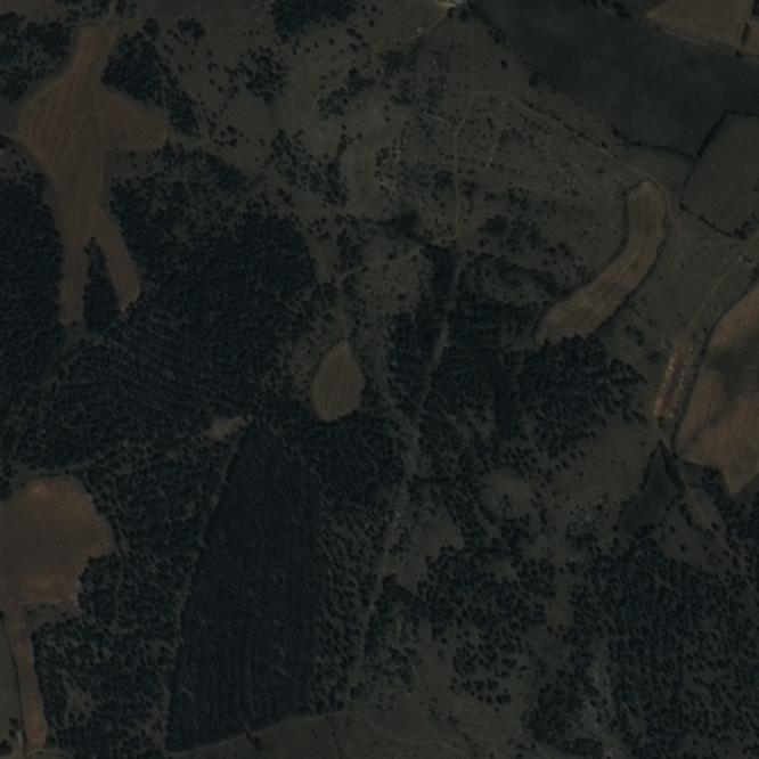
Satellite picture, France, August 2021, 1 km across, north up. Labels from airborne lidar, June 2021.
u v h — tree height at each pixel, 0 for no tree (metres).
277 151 8
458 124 0
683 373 0
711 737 9
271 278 11
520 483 0
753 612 0
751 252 0
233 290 13
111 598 7
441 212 0
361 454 17
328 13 7
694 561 0
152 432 12
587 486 0
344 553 12
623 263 0
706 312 0
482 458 9
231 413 9
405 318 9
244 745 0
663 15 0
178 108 8
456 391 11
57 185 0
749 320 0
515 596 10
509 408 15
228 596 17
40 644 8
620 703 14
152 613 11
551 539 0
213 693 15
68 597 0
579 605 10
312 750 0
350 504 13
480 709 0
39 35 8
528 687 0
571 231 0
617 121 0
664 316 0
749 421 0
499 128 0
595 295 0
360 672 0
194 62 0
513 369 11
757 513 7
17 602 0
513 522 8
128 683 13
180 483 12
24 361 9
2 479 5
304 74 0
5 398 7
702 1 0
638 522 0
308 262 6
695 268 0
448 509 7
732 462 0
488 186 0
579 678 7
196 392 10
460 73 0
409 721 0
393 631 0
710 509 0
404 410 8
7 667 0
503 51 0
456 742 0
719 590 11
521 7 0
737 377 0
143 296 8
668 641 16
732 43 0
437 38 0
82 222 0
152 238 11
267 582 17
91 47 0
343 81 0
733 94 0
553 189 0
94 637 7
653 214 0
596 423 13
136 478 7
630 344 0
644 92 0
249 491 15
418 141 0
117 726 14
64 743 8
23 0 0
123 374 11
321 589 17
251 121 0
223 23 0
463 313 9
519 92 0
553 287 6
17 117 0
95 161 0
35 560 0
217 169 8
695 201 0
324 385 0
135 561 11
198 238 7
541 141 0
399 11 0
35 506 0
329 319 6
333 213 0
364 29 0
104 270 8
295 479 16
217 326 9
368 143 0
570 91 0
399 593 12
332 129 0
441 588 10
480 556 10
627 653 13
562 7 0
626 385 13
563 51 0
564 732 7
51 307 10
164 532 12
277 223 8
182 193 8
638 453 0
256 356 8
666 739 15
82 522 0
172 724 14
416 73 0
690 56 0
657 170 0
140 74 9
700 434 0
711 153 0
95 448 8
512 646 9
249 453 13
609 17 0
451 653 0
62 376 11
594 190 0
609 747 0
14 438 7
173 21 0
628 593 8
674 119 0
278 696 16
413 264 0
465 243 0
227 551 14
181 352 14
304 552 17
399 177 0
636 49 0
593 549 10
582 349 11
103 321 7
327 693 11
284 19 9
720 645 9
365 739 0
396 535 0
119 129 0
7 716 0
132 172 0
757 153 0
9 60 6
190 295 13
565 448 12
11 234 12
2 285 11
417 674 0
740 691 11
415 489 7
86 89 0
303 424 10
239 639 17
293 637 15
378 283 0
